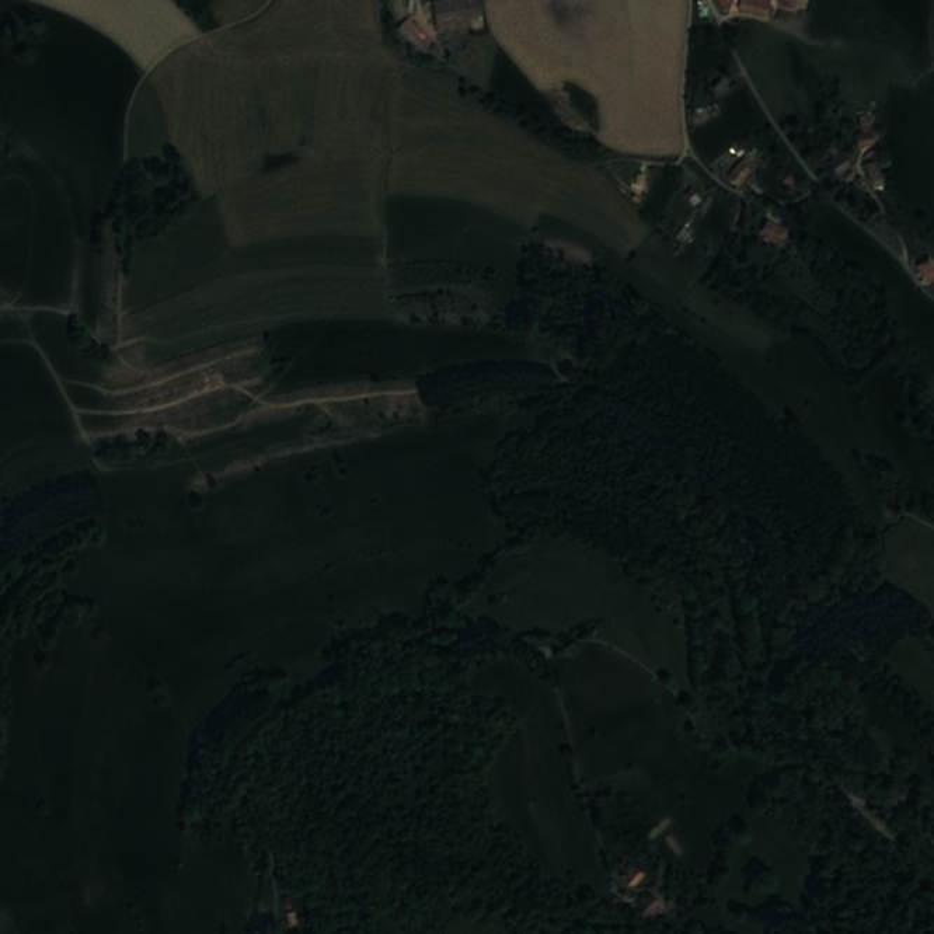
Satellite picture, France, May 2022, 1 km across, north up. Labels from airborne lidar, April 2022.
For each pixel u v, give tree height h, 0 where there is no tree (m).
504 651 25
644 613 0
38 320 0
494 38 0
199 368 0
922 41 0
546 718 0
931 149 0
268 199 0
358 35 0
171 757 0
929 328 0
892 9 0
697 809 0
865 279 24
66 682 0
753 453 16
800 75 0
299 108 0
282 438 0
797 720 24
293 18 0
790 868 0
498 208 0
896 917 16
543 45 0
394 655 24
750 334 0
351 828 13
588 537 16
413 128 0
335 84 0
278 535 0
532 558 0
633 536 12
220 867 0
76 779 0
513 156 0
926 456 0
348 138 0
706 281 7
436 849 16
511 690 0
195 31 0
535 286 21
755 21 0
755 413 16
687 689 0
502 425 0
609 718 0
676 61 0
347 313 0
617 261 0
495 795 0
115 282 0
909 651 0
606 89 0
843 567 25
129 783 0
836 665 30
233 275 0
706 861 0
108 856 0
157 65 0
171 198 26
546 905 18
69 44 0
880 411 0
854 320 8
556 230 0
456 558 0
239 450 0
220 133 0
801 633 38
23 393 0
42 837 0
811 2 0
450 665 18
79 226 0
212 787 23
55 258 0
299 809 11
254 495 0
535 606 0
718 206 0
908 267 0
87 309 0
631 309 23
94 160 0
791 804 30
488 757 21
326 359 0
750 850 0
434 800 13
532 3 0
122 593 0
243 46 0
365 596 0
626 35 0
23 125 0
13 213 0
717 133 0
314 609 0
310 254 0
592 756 0
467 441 0
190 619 0
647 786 0
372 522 0
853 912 17
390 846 12
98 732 0
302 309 0
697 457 7
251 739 22
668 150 0
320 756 17
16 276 0
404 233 0
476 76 0
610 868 14
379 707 18
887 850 24
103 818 0
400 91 0
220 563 0
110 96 0
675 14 0
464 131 0
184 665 0
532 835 0
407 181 0
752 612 27
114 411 0
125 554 0
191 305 0
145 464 0
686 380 14
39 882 0
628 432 24
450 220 0
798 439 17
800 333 23
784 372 0
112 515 0
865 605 34
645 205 0
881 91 0
